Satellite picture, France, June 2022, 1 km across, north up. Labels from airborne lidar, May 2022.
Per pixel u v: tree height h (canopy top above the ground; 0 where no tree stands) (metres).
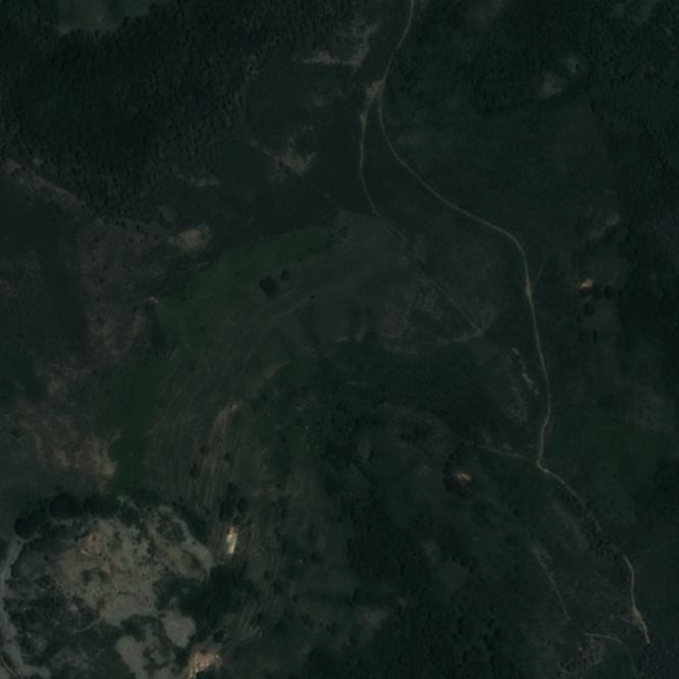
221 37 14
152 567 0
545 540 0
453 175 0
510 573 6
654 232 15
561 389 0
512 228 0
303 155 0
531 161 0
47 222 0
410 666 11
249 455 0
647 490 7
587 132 0
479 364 0
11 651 0
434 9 8
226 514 16
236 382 0
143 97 13
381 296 0
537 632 0
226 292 0
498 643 21
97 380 0
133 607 0
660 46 9
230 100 12
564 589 0
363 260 0
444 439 0
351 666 6
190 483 0
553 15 10
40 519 8
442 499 0
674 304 18
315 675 8
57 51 16
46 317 0
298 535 0
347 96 0
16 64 20
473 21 0
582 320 14
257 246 0
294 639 0
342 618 0
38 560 0
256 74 6
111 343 0
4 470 0
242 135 0
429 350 0
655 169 13
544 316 0
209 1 12
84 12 0
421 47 6
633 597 0
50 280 0
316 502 0
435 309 0
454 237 0
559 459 0
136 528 0
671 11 13
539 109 10
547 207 0
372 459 14
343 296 0
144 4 0
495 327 0
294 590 0
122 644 0
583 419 0
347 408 12
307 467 0
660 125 23
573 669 13
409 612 19
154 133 9
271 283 15
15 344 0
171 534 0
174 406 0
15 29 17
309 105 0
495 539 0
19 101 15
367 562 13
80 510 11
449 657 32
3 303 0
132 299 0
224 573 18
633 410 0
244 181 0
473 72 10
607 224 0
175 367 0
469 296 0
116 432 0
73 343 0
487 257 0
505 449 0
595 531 7
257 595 8
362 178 0
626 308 12
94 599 0
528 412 0
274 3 7
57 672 0
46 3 21
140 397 0
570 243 0
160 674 0
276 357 0
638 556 0
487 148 0
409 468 0
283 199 0
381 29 0
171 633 0
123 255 0
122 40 16
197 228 0
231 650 0
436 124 0
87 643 0
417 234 0
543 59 16
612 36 13
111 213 9
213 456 0
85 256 0
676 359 9
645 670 11
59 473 0
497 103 13
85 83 17
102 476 0
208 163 6
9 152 11
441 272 0
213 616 15
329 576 0
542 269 0
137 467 0
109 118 17
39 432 0
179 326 0
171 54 19
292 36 12
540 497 0
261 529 0
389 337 0
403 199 0
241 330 0
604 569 0
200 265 0
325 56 0
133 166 11
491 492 0
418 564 28
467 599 12
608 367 0
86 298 0
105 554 0
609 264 0
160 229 0
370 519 20
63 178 7
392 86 11
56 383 0
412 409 0
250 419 0
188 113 11
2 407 0
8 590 0
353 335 0
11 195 0
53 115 18
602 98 13
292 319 0
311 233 0
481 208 0
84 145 16
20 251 0
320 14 13
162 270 0
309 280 0
